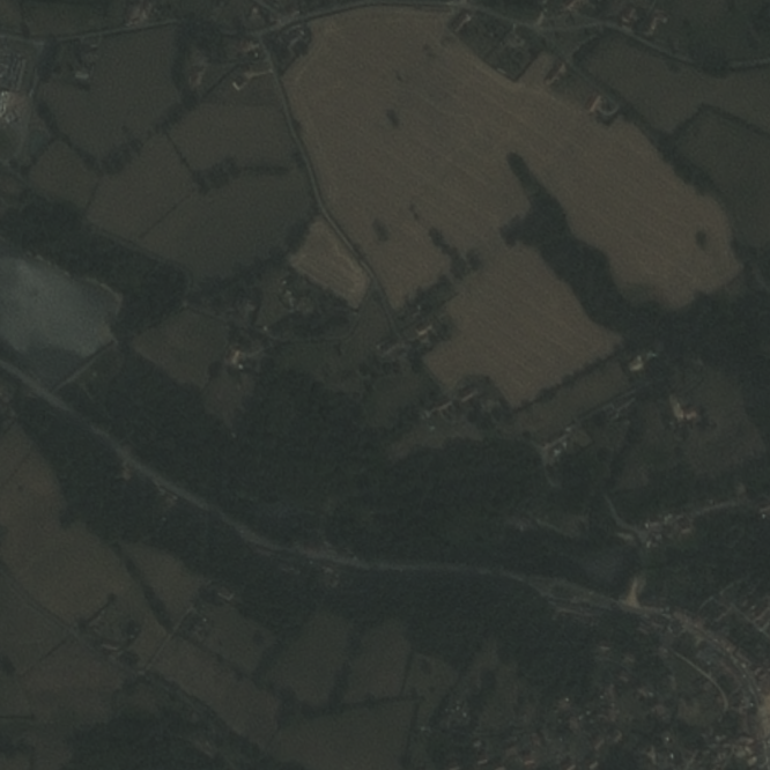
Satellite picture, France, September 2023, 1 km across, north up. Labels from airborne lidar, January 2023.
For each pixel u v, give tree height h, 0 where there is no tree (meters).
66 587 0
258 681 10
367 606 19
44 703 0
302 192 0
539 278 0
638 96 0
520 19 0
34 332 0
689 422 6
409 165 0
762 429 14
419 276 0
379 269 0
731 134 0
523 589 9
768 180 0
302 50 15
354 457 17
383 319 0
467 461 9
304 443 16
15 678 0
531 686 8
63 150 0
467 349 0
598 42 6
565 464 6
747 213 0
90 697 0
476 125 0
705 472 0
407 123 0
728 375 19
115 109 0
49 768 0
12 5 0
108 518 22
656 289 0
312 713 12
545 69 0
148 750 7
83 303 0
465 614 13
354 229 0
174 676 0
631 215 0
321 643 0
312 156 0
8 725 0
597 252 0
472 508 20
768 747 0
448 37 0
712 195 0
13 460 0
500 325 0
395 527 8
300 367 0
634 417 15
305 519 8
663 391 17
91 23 0
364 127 0
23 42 0
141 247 0
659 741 6
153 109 0
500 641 7
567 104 0
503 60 0
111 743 10
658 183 0
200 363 0
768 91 0
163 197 0
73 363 0
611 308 22
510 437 0
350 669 12
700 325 7
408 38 0
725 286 0
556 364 0
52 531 0
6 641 0
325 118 0
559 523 0
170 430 17
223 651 0
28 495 0
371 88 0
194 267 0
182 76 11
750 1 0
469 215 0
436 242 14
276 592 22
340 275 0
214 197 0
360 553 15
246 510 21
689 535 0
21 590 0
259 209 0
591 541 9
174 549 7
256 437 14
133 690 10
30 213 11
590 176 0
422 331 0
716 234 0
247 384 0
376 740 0
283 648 11
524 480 8
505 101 0
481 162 0
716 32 0
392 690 0
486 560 10
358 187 0
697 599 6
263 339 8
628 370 7
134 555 0
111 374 0
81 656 0
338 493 14
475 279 0
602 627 0
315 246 0
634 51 0
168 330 0
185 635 0
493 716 0
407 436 0
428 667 13
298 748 0
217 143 0
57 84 0
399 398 0
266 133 0
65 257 6
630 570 13
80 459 24
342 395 7
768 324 19
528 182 0
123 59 0
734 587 0
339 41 0
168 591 0
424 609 10
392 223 0
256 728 0
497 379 0
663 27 0
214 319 0
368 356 0
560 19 0
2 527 0
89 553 0
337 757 0
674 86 0
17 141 0
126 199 0
